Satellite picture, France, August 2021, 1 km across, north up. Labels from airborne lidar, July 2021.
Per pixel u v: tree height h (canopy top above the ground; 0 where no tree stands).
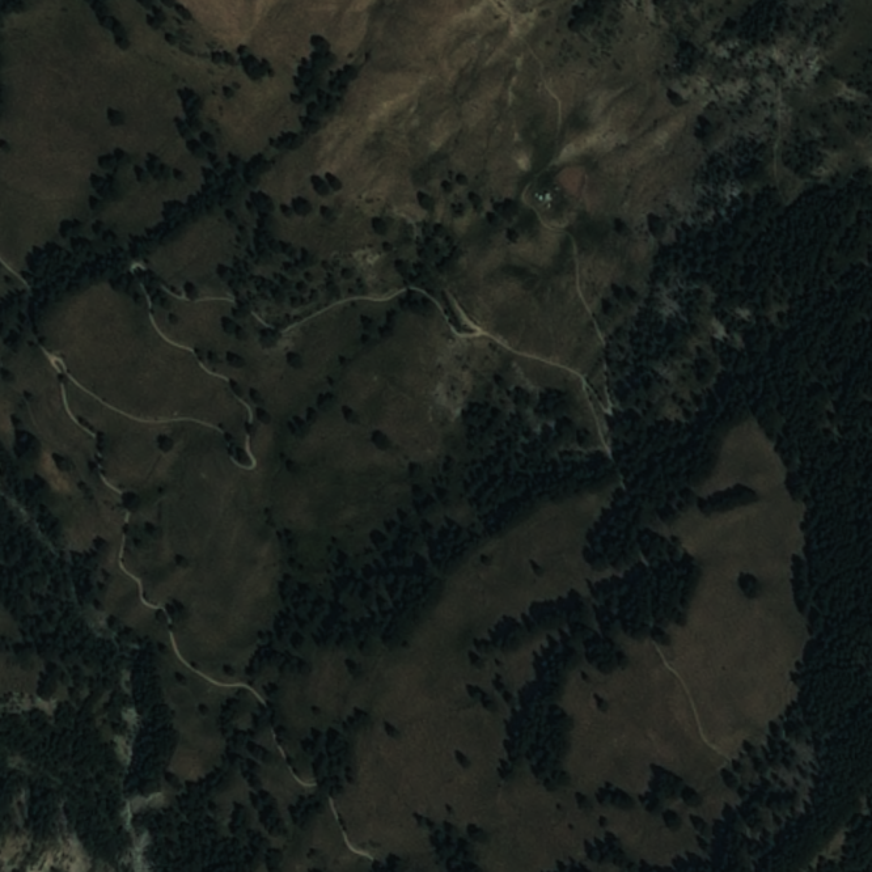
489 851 0
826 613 22
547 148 0
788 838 12
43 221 0
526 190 0
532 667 0
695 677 0
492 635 0
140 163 0
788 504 0
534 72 0
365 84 0
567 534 0
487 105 0
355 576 17
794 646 0
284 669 18
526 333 0
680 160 0
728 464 0
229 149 0
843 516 24
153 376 0
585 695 0
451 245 8
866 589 22
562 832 0
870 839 25
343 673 0
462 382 0
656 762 0
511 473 20
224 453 0
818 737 11
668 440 24
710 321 0
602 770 0
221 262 0
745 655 0
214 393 0
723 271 15
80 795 13
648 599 26
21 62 0
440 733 0
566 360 0
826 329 20
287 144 20
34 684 0
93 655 12
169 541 0
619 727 0
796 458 17
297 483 0
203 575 0
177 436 0
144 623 0
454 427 0
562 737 24
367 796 0
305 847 0
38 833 17
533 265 0
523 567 0
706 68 0
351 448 0
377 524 0
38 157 0
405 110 0
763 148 6
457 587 0
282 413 0
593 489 22
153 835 14
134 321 0
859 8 0
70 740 17
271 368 0
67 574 6
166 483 0
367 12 0
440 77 0
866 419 19
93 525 0
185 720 0
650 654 0
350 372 0
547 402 19
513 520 21
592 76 0
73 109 0
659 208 0
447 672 0
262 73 15
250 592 0
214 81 0
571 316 0
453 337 0
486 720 0
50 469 0
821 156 7
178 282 0
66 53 0
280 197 0
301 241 0
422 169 0
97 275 28
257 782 21
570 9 0
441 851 27
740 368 24
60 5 0
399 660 0
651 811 15
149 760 19
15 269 0
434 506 22
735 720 0
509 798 0
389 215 0
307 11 0
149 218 0
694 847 0
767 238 15
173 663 0
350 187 0
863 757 23
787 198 0
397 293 0
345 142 0
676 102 18
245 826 19
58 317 0
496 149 0
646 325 10
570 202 0
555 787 9
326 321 0
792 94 0
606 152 0
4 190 0
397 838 0
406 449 0
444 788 0
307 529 0
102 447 11
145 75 0
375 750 0
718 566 0
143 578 0
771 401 25
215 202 16
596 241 0
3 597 23
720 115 0
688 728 0
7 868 0
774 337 19
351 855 0
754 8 7
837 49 0
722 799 0
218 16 0
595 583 0
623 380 0
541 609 0
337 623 14
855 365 15
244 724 0
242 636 0
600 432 0
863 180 11
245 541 0
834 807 22
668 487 21
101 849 11
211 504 0
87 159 0
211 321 0
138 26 0
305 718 0
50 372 0
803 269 14
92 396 0
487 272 0
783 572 0
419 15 0
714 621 0
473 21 0
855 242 14
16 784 11
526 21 0
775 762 18
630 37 0
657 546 24
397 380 0
